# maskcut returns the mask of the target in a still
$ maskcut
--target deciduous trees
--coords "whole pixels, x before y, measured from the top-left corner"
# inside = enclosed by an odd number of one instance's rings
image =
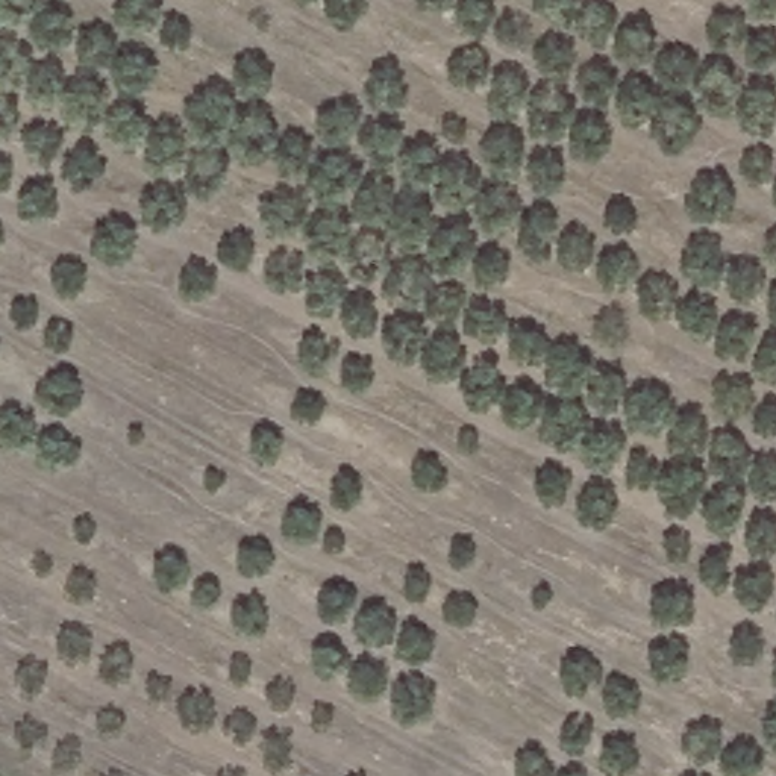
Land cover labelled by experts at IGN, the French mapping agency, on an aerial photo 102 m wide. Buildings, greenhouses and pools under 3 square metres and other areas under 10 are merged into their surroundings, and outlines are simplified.
[[[67,661],[88,658],[91,627],[82,621],[61,621],[58,652]]]
[[[233,652],[230,679],[246,685],[252,673],[252,658],[246,652]]]
[[[634,203],[621,194],[612,194],[603,212],[606,224],[612,230],[634,230]]]
[[[340,621],[352,597],[330,594],[321,588],[318,615]]]
[[[679,682],[685,676],[688,640],[676,631],[679,624],[688,624],[694,618],[694,594],[658,597],[652,591],[652,618],[658,637],[649,643],[649,667],[658,682]]]
[[[39,303],[33,294],[18,294],[12,300],[12,321],[18,327],[30,327]]]
[[[67,579],[67,591],[73,600],[91,600],[97,576],[91,567],[76,564]]]
[[[688,530],[667,527],[667,561],[685,561],[691,546]]]
[[[600,524],[612,521],[618,497],[612,479],[591,476],[579,491],[576,515],[582,524],[597,530]]]
[[[124,640],[112,640],[106,643],[100,658],[100,676],[103,682],[121,682],[130,676],[133,649]]]
[[[600,758],[585,761],[585,743],[591,737],[594,718],[585,712],[567,712],[561,724],[561,743],[567,749],[567,767],[558,770],[537,740],[527,740],[515,752],[512,776],[646,776],[640,770],[637,740],[609,749],[603,746]]]
[[[215,270],[203,258],[191,255],[179,273],[179,288],[185,297],[194,300],[212,291]]]
[[[740,621],[731,634],[731,658],[740,664],[752,664],[761,655],[764,637],[758,624]]]
[[[118,734],[124,724],[124,709],[106,703],[97,709],[97,728],[100,734]]]
[[[230,270],[246,270],[255,252],[252,230],[230,227],[221,233],[218,255]]]
[[[433,679],[427,679],[421,670],[409,670],[400,673],[394,682],[391,709],[400,721],[415,724],[430,712],[437,688]]]
[[[0,403],[0,440],[6,440],[9,446],[36,446],[36,455],[52,464],[73,464],[79,458],[82,440],[64,424],[39,424],[33,412],[18,400]]]
[[[452,567],[467,567],[476,555],[476,543],[470,534],[455,534],[449,549]]]
[[[776,164],[773,149],[767,142],[746,146],[740,158],[743,176],[749,182],[770,182],[776,203]]]
[[[312,646],[312,667],[318,679],[333,679],[333,673],[346,670],[352,694],[373,700],[382,694],[382,658],[352,655],[346,646],[333,652]]]
[[[264,728],[252,709],[236,706],[224,715],[224,731],[233,734],[236,743],[261,737],[264,761],[288,767],[291,731]]]
[[[39,740],[45,740],[49,728],[33,715],[21,715],[15,721],[15,740],[21,743],[21,749],[33,749]]]
[[[397,655],[403,661],[427,661],[433,652],[433,631],[421,618],[397,615],[394,606],[382,603],[376,612],[358,612],[358,640],[397,646]]]
[[[728,585],[731,543],[712,543],[700,555],[700,576],[712,591],[721,591]]]
[[[755,737],[740,734],[728,743],[721,740],[721,721],[709,715],[691,718],[685,724],[682,752],[688,758],[721,761],[718,776],[776,776],[776,697],[767,700],[764,731]]]
[[[627,433],[643,430],[652,437],[664,437],[667,458],[655,458],[649,455],[649,449],[634,446],[627,461],[627,485],[658,491],[670,515],[700,512],[709,530],[734,527],[746,494],[758,494],[752,518],[746,524],[749,564],[737,567],[734,585],[737,600],[743,606],[761,609],[767,603],[773,588],[770,561],[776,552],[776,452],[752,449],[737,421],[740,415],[752,415],[758,433],[776,433],[776,279],[770,282],[767,309],[758,315],[737,309],[718,312],[712,294],[718,282],[728,282],[731,297],[755,297],[755,288],[764,276],[761,264],[770,258],[776,261],[776,221],[767,227],[764,246],[755,255],[724,252],[721,236],[712,233],[712,221],[731,218],[737,188],[724,167],[697,170],[685,194],[685,206],[700,230],[688,233],[688,243],[682,249],[682,270],[688,273],[691,291],[682,294],[679,282],[667,270],[646,270],[627,243],[603,246],[585,224],[558,221],[558,209],[552,200],[564,182],[564,158],[558,146],[537,146],[530,152],[534,203],[524,203],[515,185],[506,182],[506,167],[518,167],[524,146],[521,127],[515,124],[515,106],[527,106],[534,136],[546,136],[549,130],[570,130],[570,142],[579,161],[597,161],[612,139],[606,121],[606,100],[618,100],[624,127],[649,121],[652,139],[667,155],[679,155],[682,149],[688,149],[700,133],[700,124],[712,115],[737,118],[746,133],[770,133],[776,121],[776,27],[749,27],[746,12],[740,6],[715,3],[706,18],[709,55],[697,55],[697,49],[691,49],[688,42],[667,42],[655,30],[655,21],[646,9],[624,15],[615,9],[612,0],[534,0],[537,9],[555,6],[564,15],[564,21],[537,39],[534,58],[540,64],[540,79],[530,82],[521,64],[497,64],[482,45],[485,33],[494,33],[500,42],[509,45],[518,33],[530,27],[530,18],[524,12],[494,6],[494,0],[415,0],[418,9],[455,9],[458,24],[470,33],[470,42],[455,45],[449,55],[449,82],[491,85],[491,124],[482,133],[485,158],[491,161],[491,176],[485,179],[467,152],[443,152],[437,139],[427,149],[409,155],[400,152],[409,133],[403,130],[403,121],[397,115],[406,103],[409,88],[397,55],[382,55],[370,64],[370,76],[361,91],[321,100],[315,127],[309,130],[297,124],[285,127],[276,121],[273,106],[267,103],[273,61],[264,49],[236,52],[233,73],[227,79],[209,76],[197,82],[176,115],[152,115],[142,97],[158,73],[158,58],[146,42],[118,39],[115,27],[149,24],[161,30],[161,39],[167,45],[185,49],[191,39],[191,18],[176,9],[167,9],[161,0],[115,0],[115,12],[106,21],[82,21],[64,0],[0,0],[0,133],[18,133],[24,139],[24,149],[30,155],[39,155],[39,161],[55,158],[55,149],[64,139],[64,127],[49,118],[27,121],[18,112],[15,91],[27,85],[30,97],[61,97],[67,115],[85,118],[82,139],[64,158],[64,176],[76,191],[88,191],[94,179],[106,170],[106,158],[91,139],[94,124],[106,124],[115,142],[146,139],[149,167],[185,167],[185,179],[155,179],[142,185],[142,215],[130,218],[127,212],[106,212],[94,221],[91,249],[103,264],[130,261],[139,227],[164,230],[170,224],[182,224],[185,200],[206,200],[227,176],[227,164],[258,167],[264,161],[276,161],[276,185],[261,194],[261,218],[267,221],[267,230],[303,230],[315,252],[349,258],[358,276],[373,279],[373,273],[385,273],[382,288],[394,312],[385,315],[382,340],[391,361],[421,364],[424,373],[440,382],[455,379],[470,409],[485,412],[488,406],[500,406],[503,421],[509,427],[530,427],[540,433],[543,443],[552,443],[555,449],[567,449],[573,437],[582,433],[585,467],[612,467],[618,458],[618,446]],[[646,318],[676,315],[682,330],[712,340],[718,358],[752,361],[755,367],[749,373],[718,370],[712,379],[715,406],[724,424],[709,427],[706,415],[700,412],[700,403],[676,400],[670,385],[661,379],[627,379],[621,361],[594,358],[576,333],[552,336],[540,321],[509,315],[503,300],[491,300],[491,285],[503,282],[509,273],[509,252],[497,243],[479,243],[470,224],[494,224],[506,218],[518,218],[518,246],[530,261],[558,255],[567,273],[594,267],[603,288],[612,282],[634,285]],[[464,324],[473,336],[506,333],[512,358],[546,367],[546,376],[540,382],[527,376],[506,379],[500,373],[500,364],[491,367],[479,355],[476,364],[467,367],[467,349],[455,333],[455,315],[464,315]]]
[[[276,709],[285,709],[294,703],[294,679],[273,676],[267,682],[267,697]]]
[[[476,618],[476,597],[470,591],[449,591],[443,600],[446,621],[470,624]]]
[[[349,352],[343,361],[343,385],[349,391],[364,391],[373,382],[373,358]]]
[[[221,582],[215,573],[203,573],[197,576],[191,597],[197,606],[215,606]]]
[[[324,415],[324,394],[315,388],[300,388],[291,403],[294,418],[318,421]]]
[[[412,458],[412,482],[424,491],[440,491],[446,485],[446,464],[437,452],[421,449]]]
[[[537,494],[543,503],[555,506],[564,500],[570,470],[558,461],[543,461],[534,476]]]
[[[261,591],[249,591],[233,600],[230,618],[243,634],[255,637],[267,631],[267,600]]]
[[[79,294],[85,288],[85,261],[76,255],[58,255],[52,264],[55,291],[61,297]]]
[[[185,579],[188,555],[182,546],[164,546],[155,552],[155,579],[161,591],[173,591]]]
[[[267,258],[264,276],[276,291],[306,294],[312,327],[303,330],[297,352],[300,367],[306,373],[321,376],[330,355],[340,346],[340,340],[324,336],[324,318],[343,318],[352,336],[370,336],[376,321],[376,303],[367,288],[346,288],[340,270],[306,270],[303,252],[279,246]]]
[[[158,673],[158,670],[149,670],[149,676],[146,676],[146,688],[149,688],[149,697],[161,703],[164,697],[167,697],[167,688],[170,688],[170,682],[173,682],[173,676],[164,676],[164,673]]]
[[[640,709],[637,679],[615,670],[603,670],[600,658],[585,646],[570,646],[561,658],[561,682],[567,694],[579,697],[588,691],[588,685],[594,685],[603,691],[609,715],[627,715]]]
[[[340,509],[352,509],[361,500],[361,479],[349,482],[336,473],[330,482],[330,497]]]
[[[18,685],[27,694],[36,694],[45,682],[49,664],[33,655],[21,655],[15,667]]]
[[[36,382],[36,397],[55,412],[70,412],[82,403],[82,376],[73,364],[55,364]]]
[[[252,534],[239,540],[236,564],[243,576],[264,576],[273,567],[273,546],[267,537]]]
[[[594,333],[606,346],[627,346],[631,327],[624,318],[624,306],[606,303],[594,315]]]
[[[424,564],[415,561],[406,567],[403,591],[409,600],[424,600],[430,591],[430,573],[424,570]]]
[[[179,721],[191,731],[206,731],[212,728],[215,697],[206,685],[188,685],[176,703]]]
[[[297,543],[309,543],[321,521],[321,509],[318,503],[300,494],[285,506],[282,534]]]
[[[27,176],[18,191],[18,215],[55,215],[58,191],[52,185],[52,176]]]
[[[282,449],[282,427],[264,418],[252,427],[252,455],[261,464],[273,464]]]
[[[45,346],[55,352],[67,352],[73,340],[73,321],[64,315],[52,315],[45,324]]]
[[[324,0],[324,12],[336,30],[349,30],[364,15],[367,0]]]

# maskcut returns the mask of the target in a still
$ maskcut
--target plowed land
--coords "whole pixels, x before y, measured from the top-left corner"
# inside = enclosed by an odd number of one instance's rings
[[[676,400],[700,403],[700,412],[706,415],[709,427],[724,424],[715,406],[712,379],[718,370],[749,373],[755,367],[752,361],[718,358],[712,340],[682,330],[676,315],[646,318],[634,285],[612,282],[603,288],[594,267],[567,273],[558,255],[530,261],[518,246],[518,218],[506,218],[494,224],[470,224],[479,243],[497,243],[509,252],[509,273],[503,282],[491,285],[491,300],[503,300],[509,315],[540,321],[552,336],[576,333],[594,358],[621,361],[627,379],[661,379],[670,385]],[[624,306],[624,318],[631,327],[627,346],[606,346],[594,333],[594,315],[606,303]]]
[[[467,367],[476,364],[479,355],[491,367],[500,364],[500,373],[506,379],[527,376],[540,382],[546,376],[546,367],[512,358],[506,333],[473,336],[464,324],[464,315],[455,315],[455,333],[467,349]]]
[[[615,9],[624,15],[646,9],[655,21],[655,30],[667,42],[688,42],[691,49],[697,49],[697,55],[709,55],[706,18],[715,3],[740,6],[746,12],[749,27],[776,27],[776,0],[612,0]]]
[[[9,446],[6,440],[0,440],[0,776],[512,776],[515,752],[527,740],[537,740],[558,770],[567,767],[567,749],[561,743],[561,724],[567,712],[585,712],[594,718],[591,737],[585,743],[585,761],[600,758],[603,746],[609,749],[637,740],[640,770],[646,776],[718,776],[721,761],[688,758],[682,752],[685,724],[691,718],[709,715],[721,721],[721,740],[728,743],[740,734],[755,737],[764,731],[767,700],[776,697],[776,552],[770,561],[773,588],[767,603],[761,609],[743,606],[737,600],[734,585],[737,567],[749,564],[746,524],[752,518],[758,494],[746,494],[734,527],[709,530],[700,512],[670,515],[658,491],[627,485],[627,461],[634,446],[649,449],[649,455],[655,458],[667,458],[664,437],[652,437],[643,430],[627,433],[618,446],[618,458],[612,467],[585,467],[582,433],[573,437],[567,449],[555,449],[552,443],[543,443],[540,433],[530,427],[509,427],[503,421],[500,406],[488,406],[485,412],[470,409],[455,379],[440,382],[424,373],[421,364],[391,361],[382,340],[385,315],[394,312],[382,288],[385,273],[373,273],[373,279],[358,276],[349,258],[315,252],[303,230],[267,230],[267,221],[261,218],[261,194],[276,185],[276,161],[264,161],[258,167],[227,164],[227,176],[206,200],[185,200],[182,224],[170,224],[164,230],[139,227],[130,261],[103,264],[91,249],[94,221],[106,212],[127,212],[130,218],[142,215],[142,185],[155,179],[185,179],[185,167],[149,167],[146,139],[115,142],[106,124],[94,124],[91,139],[106,158],[106,170],[94,179],[88,191],[76,191],[64,176],[64,158],[82,139],[85,118],[67,115],[61,97],[30,97],[27,85],[15,91],[18,112],[27,121],[49,118],[64,127],[64,139],[55,149],[55,158],[39,161],[39,155],[30,155],[24,149],[24,139],[18,133],[0,133],[0,403],[18,400],[33,412],[39,424],[64,424],[82,440],[79,458],[73,464],[52,464],[36,455],[36,446]],[[18,191],[27,176],[52,176],[52,185],[58,191],[55,215],[18,215]],[[230,227],[252,230],[255,252],[246,270],[230,270],[218,255],[221,233]],[[264,276],[267,258],[279,246],[303,252],[306,270],[340,270],[346,288],[367,288],[376,303],[376,321],[370,336],[352,336],[343,318],[324,318],[324,336],[340,340],[340,346],[330,355],[321,376],[306,373],[300,367],[297,352],[303,330],[312,327],[306,294],[276,291]],[[79,294],[61,297],[55,291],[52,264],[58,255],[76,255],[85,261],[85,288]],[[185,297],[179,288],[179,273],[191,255],[203,258],[215,270],[212,291],[194,300]],[[12,300],[18,294],[33,294],[39,303],[30,327],[18,327],[12,321]],[[73,340],[67,352],[55,352],[45,346],[45,324],[52,315],[64,315],[73,321]],[[364,391],[349,391],[343,385],[343,361],[349,352],[373,358],[373,382]],[[55,364],[73,364],[82,376],[82,403],[70,412],[55,412],[36,397],[36,382]],[[294,418],[291,403],[300,388],[315,388],[324,394],[324,415],[318,421]],[[264,418],[282,427],[282,449],[273,464],[261,464],[252,455],[252,427]],[[412,458],[421,449],[437,452],[446,464],[446,485],[440,491],[424,491],[412,482]],[[534,476],[543,461],[558,461],[570,470],[564,500],[555,506],[543,503],[537,494]],[[361,500],[352,509],[340,509],[330,497],[330,482],[336,473],[349,482],[361,479]],[[582,524],[576,515],[579,491],[591,476],[612,479],[618,497],[612,521],[600,524],[597,530]],[[318,503],[321,509],[321,521],[309,543],[297,543],[282,534],[285,506],[300,494]],[[688,530],[691,546],[685,561],[667,561],[667,527]],[[264,576],[243,576],[236,564],[239,540],[252,534],[267,537],[273,546],[273,567]],[[470,534],[476,543],[476,555],[467,567],[452,567],[449,549],[455,534]],[[700,555],[712,543],[731,543],[728,585],[721,591],[712,591],[700,576]],[[188,555],[185,579],[173,591],[161,591],[155,579],[155,552],[164,546],[182,546]],[[424,600],[409,600],[403,591],[406,567],[415,561],[424,564],[424,570],[430,573],[430,591]],[[97,576],[91,600],[73,600],[67,591],[67,579],[76,564],[91,567]],[[191,597],[197,576],[203,573],[215,573],[221,582],[215,606],[197,606]],[[340,621],[318,615],[321,588],[330,594],[352,597]],[[249,591],[261,591],[267,600],[267,631],[255,637],[243,634],[230,618],[233,600]],[[449,591],[470,591],[476,597],[476,618],[470,624],[446,621],[443,600]],[[658,597],[694,594],[694,618],[688,624],[679,624],[676,631],[688,640],[685,676],[679,682],[658,682],[649,667],[649,643],[658,637],[652,618],[652,591]],[[421,618],[433,631],[433,652],[427,661],[403,661],[397,655],[397,646],[358,640],[358,612],[376,612],[382,603],[394,606],[397,615]],[[91,627],[88,658],[67,661],[58,652],[61,621],[82,621]],[[740,664],[731,658],[731,634],[740,621],[758,624],[764,637],[761,655],[752,664]],[[103,682],[100,676],[100,658],[106,643],[112,640],[124,640],[133,649],[130,676],[121,682]],[[346,646],[352,655],[382,658],[382,694],[373,700],[352,694],[346,670],[333,673],[333,679],[318,679],[312,667],[312,646],[333,652]],[[603,691],[594,685],[588,685],[588,691],[579,697],[567,694],[561,682],[561,658],[570,646],[585,646],[600,658],[603,670],[615,670],[637,679],[640,709],[627,715],[609,715]],[[246,685],[230,679],[233,652],[246,652],[252,658],[252,673]],[[49,664],[45,682],[36,694],[27,694],[18,685],[15,667],[21,655],[33,655]],[[167,697],[164,697],[161,703],[149,697],[149,688],[146,688],[146,676],[149,676],[149,670],[158,670],[158,673],[164,673],[164,676],[173,676],[173,682],[170,682],[170,688],[167,688]],[[430,712],[415,724],[400,721],[391,709],[394,682],[400,673],[409,670],[421,670],[427,679],[433,679],[437,688]],[[294,679],[294,703],[285,709],[276,709],[267,697],[267,682],[273,676]],[[191,731],[179,721],[176,703],[188,685],[206,685],[215,697],[212,728],[206,731]],[[124,724],[118,734],[100,734],[97,728],[97,709],[106,703],[124,709]],[[236,706],[252,709],[264,728],[291,731],[288,767],[264,761],[261,737],[236,743],[233,734],[224,731],[224,715]],[[21,743],[15,740],[15,721],[21,715],[33,715],[49,728],[45,740],[39,740],[33,749],[21,749]]]
[[[758,433],[752,415],[740,415],[737,421],[752,449],[776,452],[776,433]]]
[[[485,33],[482,45],[497,64],[521,64],[530,82],[540,79],[540,64],[534,58],[537,39],[564,21],[564,15],[555,6],[537,9],[534,0],[494,0],[494,6],[524,12],[530,18],[530,27],[518,33],[509,45],[500,42],[494,33]]]
[[[382,55],[397,55],[409,88],[406,103],[397,115],[403,121],[403,130],[409,133],[400,152],[409,155],[427,149],[437,139],[443,152],[467,152],[485,179],[491,176],[491,161],[485,158],[482,133],[491,124],[491,85],[449,82],[449,55],[455,45],[470,42],[470,33],[458,24],[455,9],[418,9],[415,0],[367,0],[364,15],[349,30],[336,30],[324,12],[324,0],[161,0],[167,9],[176,9],[191,18],[191,39],[185,49],[167,45],[161,39],[161,30],[149,24],[115,27],[118,39],[146,42],[158,58],[158,73],[142,97],[152,115],[176,115],[197,82],[209,76],[227,79],[233,73],[236,52],[264,49],[273,61],[267,103],[273,106],[276,121],[285,127],[297,124],[309,130],[315,127],[321,100],[361,91],[370,76],[370,64]]]
[[[115,12],[115,0],[64,0],[82,21],[106,21]]]
[[[758,315],[767,309],[770,282],[776,279],[776,261],[770,258],[761,264],[764,276],[755,288],[755,297],[731,297],[728,282],[718,282],[712,294],[718,312],[737,309]]]
[[[518,167],[506,167],[506,182],[515,185],[524,203],[534,203],[530,152],[537,146],[558,146],[564,158],[564,182],[552,200],[558,209],[558,221],[585,224],[603,246],[627,243],[646,270],[667,270],[679,282],[682,294],[691,291],[688,273],[682,270],[682,249],[688,243],[688,233],[700,230],[685,206],[685,194],[697,170],[724,167],[737,188],[731,218],[712,221],[712,233],[721,236],[724,252],[755,255],[764,246],[767,227],[776,221],[776,203],[770,182],[749,182],[743,176],[740,158],[746,146],[767,142],[773,149],[776,164],[776,121],[770,133],[746,133],[737,118],[712,115],[700,124],[700,133],[688,149],[682,149],[679,155],[667,155],[652,139],[649,121],[624,127],[618,100],[606,100],[606,121],[612,139],[597,161],[579,161],[570,142],[570,130],[549,130],[546,136],[534,136],[527,106],[515,106],[515,124],[521,127],[524,146]],[[634,203],[634,230],[612,230],[606,224],[603,212],[612,194],[621,194]]]

